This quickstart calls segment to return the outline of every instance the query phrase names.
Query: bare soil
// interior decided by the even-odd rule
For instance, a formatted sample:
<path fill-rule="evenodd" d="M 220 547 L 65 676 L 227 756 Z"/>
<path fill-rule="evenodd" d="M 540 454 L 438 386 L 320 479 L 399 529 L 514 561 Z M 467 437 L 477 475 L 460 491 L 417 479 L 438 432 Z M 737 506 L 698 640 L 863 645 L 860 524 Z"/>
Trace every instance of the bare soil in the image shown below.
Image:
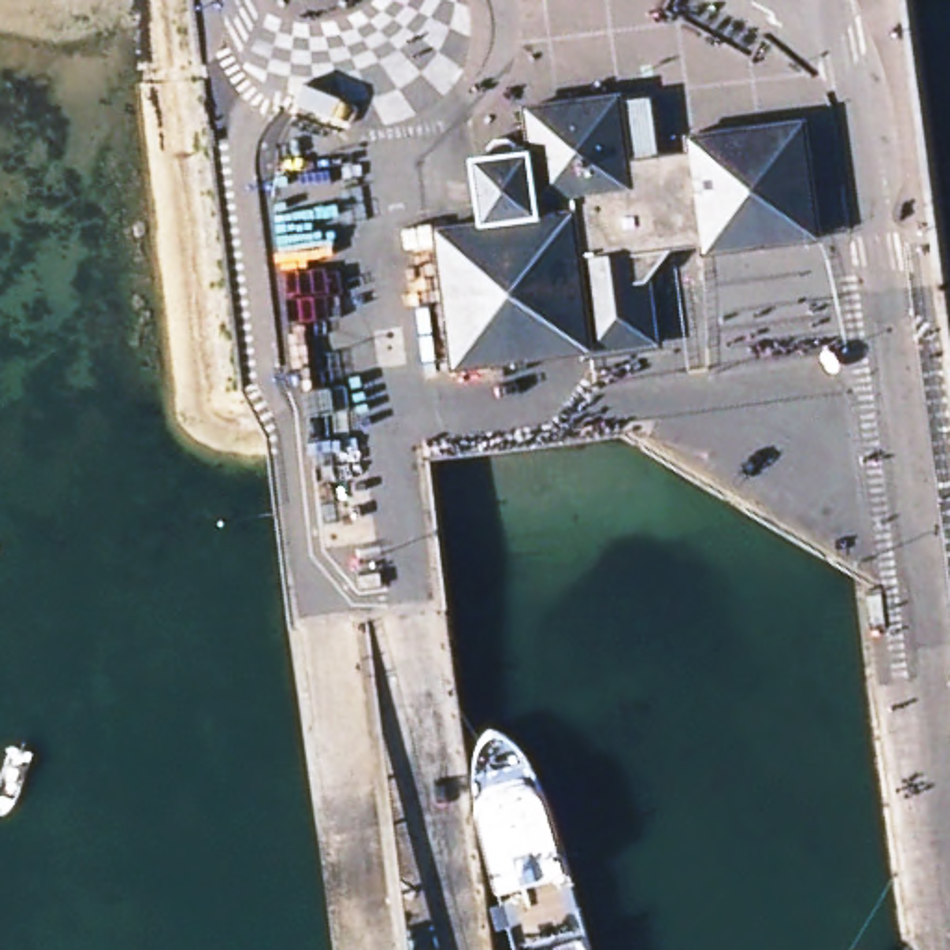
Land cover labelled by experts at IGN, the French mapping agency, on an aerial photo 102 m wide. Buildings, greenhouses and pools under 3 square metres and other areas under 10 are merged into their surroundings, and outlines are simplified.
<path fill-rule="evenodd" d="M 0 30 L 41 41 L 78 41 L 108 26 L 134 30 L 130 0 L 0 0 Z"/>
<path fill-rule="evenodd" d="M 950 0 L 905 0 L 950 312 Z"/>

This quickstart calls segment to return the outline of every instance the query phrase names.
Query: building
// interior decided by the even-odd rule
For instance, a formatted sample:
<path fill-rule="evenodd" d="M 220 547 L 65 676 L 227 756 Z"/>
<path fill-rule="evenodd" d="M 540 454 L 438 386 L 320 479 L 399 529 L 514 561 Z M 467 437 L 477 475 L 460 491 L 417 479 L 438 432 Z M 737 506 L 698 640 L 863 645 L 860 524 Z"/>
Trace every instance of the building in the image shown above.
<path fill-rule="evenodd" d="M 553 93 L 538 104 L 531 119 L 523 119 L 527 137 L 534 141 L 531 152 L 520 152 L 512 141 L 505 141 L 494 148 L 494 160 L 468 156 L 471 215 L 456 215 L 445 234 L 423 226 L 404 230 L 401 238 L 404 249 L 427 249 L 438 256 L 442 323 L 449 345 L 445 356 L 456 360 L 464 371 L 494 367 L 501 371 L 501 382 L 534 375 L 534 382 L 571 386 L 597 349 L 597 334 L 605 334 L 616 323 L 616 315 L 638 327 L 649 341 L 683 338 L 683 267 L 694 245 L 709 249 L 716 241 L 724 252 L 750 252 L 802 245 L 813 238 L 805 230 L 805 223 L 816 212 L 809 152 L 798 141 L 802 122 L 753 119 L 750 126 L 735 130 L 731 119 L 720 119 L 705 126 L 701 145 L 687 145 L 683 152 L 664 156 L 657 152 L 649 100 L 631 100 L 627 115 L 620 115 L 612 111 L 609 93 L 568 104 Z"/>

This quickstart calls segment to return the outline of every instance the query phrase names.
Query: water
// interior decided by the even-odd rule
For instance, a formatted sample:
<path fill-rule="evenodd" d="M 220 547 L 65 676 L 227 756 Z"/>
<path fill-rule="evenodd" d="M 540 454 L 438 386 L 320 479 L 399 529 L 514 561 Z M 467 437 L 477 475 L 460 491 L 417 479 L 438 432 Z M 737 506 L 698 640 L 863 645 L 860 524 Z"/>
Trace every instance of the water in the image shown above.
<path fill-rule="evenodd" d="M 134 48 L 134 30 L 108 26 L 78 41 L 41 41 L 0 30 L 0 950 L 330 950 L 323 857 L 312 816 L 301 705 L 282 605 L 271 486 L 256 460 L 200 449 L 178 434 L 171 419 L 163 286 L 156 263 L 156 208 L 137 104 L 141 63 Z"/>
<path fill-rule="evenodd" d="M 494 950 L 909 950 L 902 943 L 894 913 L 854 579 L 824 564 L 820 557 L 798 549 L 783 534 L 761 527 L 735 505 L 705 494 L 690 479 L 646 456 L 642 449 L 627 442 L 594 442 L 571 449 L 512 453 L 497 460 L 434 460 L 430 471 L 445 571 L 445 623 L 464 735 L 464 772 L 456 779 L 460 794 L 475 790 L 475 816 L 486 842 L 479 879 Z"/>

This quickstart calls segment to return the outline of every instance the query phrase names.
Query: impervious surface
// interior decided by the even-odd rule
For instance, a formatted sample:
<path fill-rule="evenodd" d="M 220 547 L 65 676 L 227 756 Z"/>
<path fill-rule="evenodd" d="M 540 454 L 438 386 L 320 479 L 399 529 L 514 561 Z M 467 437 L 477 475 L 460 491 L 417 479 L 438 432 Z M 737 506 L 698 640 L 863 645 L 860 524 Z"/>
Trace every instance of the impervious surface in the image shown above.
<path fill-rule="evenodd" d="M 200 449 L 256 460 L 271 486 L 282 605 L 301 705 L 312 816 L 323 857 L 330 950 L 494 950 L 479 879 L 486 842 L 475 816 L 475 790 L 460 794 L 456 779 L 464 772 L 464 735 L 445 623 L 445 571 L 430 471 L 434 460 L 497 460 L 512 453 L 571 449 L 594 442 L 627 442 L 642 449 L 646 456 L 690 479 L 705 494 L 735 505 L 761 527 L 783 534 L 798 549 L 820 557 L 824 564 L 854 579 L 894 913 L 902 943 L 909 950 L 950 950 L 950 312 L 905 0 L 130 0 L 134 30 L 134 48 L 141 63 L 137 104 L 156 208 L 156 263 L 163 286 L 171 419 L 178 434 Z M 705 126 L 720 119 L 731 119 L 735 130 L 750 126 L 753 119 L 802 122 L 798 141 L 809 152 L 816 212 L 805 223 L 805 230 L 813 238 L 802 245 L 750 252 L 724 252 L 716 241 L 709 249 L 694 245 L 683 267 L 683 338 L 649 341 L 638 327 L 616 315 L 616 323 L 605 334 L 597 334 L 597 349 L 571 386 L 534 382 L 534 375 L 501 382 L 501 371 L 494 367 L 464 371 L 456 360 L 445 356 L 449 345 L 442 323 L 438 256 L 427 249 L 404 249 L 401 238 L 404 230 L 423 226 L 445 234 L 456 215 L 471 215 L 468 156 L 494 160 L 494 148 L 505 141 L 512 141 L 520 152 L 531 152 L 534 141 L 527 137 L 523 119 L 531 119 L 538 104 L 553 93 L 568 104 L 609 93 L 612 111 L 620 115 L 627 115 L 631 100 L 649 100 L 657 152 L 664 156 L 683 152 L 687 145 L 701 145 Z"/>

